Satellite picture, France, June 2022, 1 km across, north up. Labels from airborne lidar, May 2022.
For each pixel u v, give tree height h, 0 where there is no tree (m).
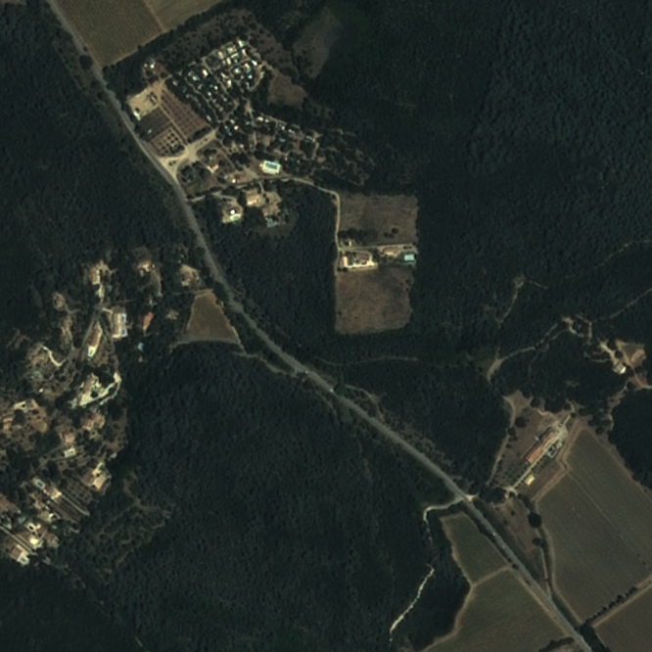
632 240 8
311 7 8
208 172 16
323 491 8
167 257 17
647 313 11
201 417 14
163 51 6
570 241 14
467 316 13
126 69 14
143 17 0
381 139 7
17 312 5
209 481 8
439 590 8
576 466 0
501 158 20
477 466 19
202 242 0
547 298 7
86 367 8
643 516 0
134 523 17
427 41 10
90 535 16
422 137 6
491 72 9
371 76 10
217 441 8
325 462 8
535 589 0
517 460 0
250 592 11
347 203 0
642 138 21
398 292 0
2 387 14
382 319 0
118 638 8
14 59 13
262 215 7
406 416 9
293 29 7
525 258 8
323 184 8
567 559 0
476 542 0
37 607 8
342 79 12
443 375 11
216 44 12
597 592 0
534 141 13
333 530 8
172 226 16
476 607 0
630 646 0
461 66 7
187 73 11
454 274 6
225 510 7
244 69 7
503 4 12
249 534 15
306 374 7
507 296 9
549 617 0
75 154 12
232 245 17
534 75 7
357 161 9
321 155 13
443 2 9
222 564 9
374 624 9
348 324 0
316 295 8
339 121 12
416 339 13
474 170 11
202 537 6
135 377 15
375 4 7
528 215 7
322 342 8
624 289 15
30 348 7
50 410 6
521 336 12
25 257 6
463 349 12
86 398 0
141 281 8
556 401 7
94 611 9
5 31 19
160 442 10
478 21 10
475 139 8
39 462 7
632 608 0
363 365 6
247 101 9
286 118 9
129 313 8
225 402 8
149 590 16
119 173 12
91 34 0
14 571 9
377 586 7
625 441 17
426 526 18
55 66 7
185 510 9
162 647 16
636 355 0
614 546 0
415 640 7
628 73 11
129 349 8
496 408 9
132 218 7
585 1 15
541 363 7
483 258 7
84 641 6
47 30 9
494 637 0
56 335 7
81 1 0
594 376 7
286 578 11
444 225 6
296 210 6
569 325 15
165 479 7
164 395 8
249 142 12
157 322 18
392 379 6
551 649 8
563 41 12
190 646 11
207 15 15
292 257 13
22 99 7
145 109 0
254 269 12
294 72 11
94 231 9
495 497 11
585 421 0
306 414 8
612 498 0
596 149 20
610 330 8
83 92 8
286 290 8
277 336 13
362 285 0
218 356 16
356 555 17
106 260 6
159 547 6
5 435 6
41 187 11
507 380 7
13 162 11
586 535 0
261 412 7
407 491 11
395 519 6
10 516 10
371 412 8
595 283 8
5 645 8
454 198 13
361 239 7
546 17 11
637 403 6
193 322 0
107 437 10
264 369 16
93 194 8
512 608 0
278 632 7
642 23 8
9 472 11
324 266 12
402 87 6
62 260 10
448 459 7
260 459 10
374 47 10
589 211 6
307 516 9
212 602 7
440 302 11
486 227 13
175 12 0
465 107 7
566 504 0
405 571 5
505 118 21
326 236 12
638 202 14
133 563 10
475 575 0
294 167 11
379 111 7
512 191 7
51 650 7
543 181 11
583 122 9
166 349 12
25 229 6
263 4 9
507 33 9
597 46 13
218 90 7
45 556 8
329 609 13
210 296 0
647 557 0
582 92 18
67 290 13
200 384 9
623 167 14
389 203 0
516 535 0
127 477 14
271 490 8
